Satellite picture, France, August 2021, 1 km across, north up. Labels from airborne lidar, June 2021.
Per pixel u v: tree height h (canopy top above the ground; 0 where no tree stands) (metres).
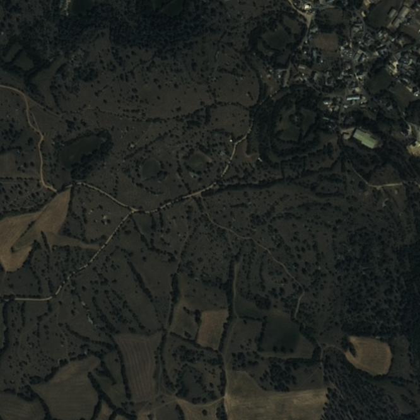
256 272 0
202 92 0
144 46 12
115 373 0
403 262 7
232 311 7
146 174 0
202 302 0
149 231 0
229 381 0
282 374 17
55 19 9
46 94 0
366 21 13
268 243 0
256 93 0
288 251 6
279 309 0
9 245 0
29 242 0
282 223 0
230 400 0
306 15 0
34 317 0
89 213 0
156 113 0
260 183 7
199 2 14
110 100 0
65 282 8
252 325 0
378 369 0
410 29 0
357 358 0
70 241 0
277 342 0
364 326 11
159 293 0
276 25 7
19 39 7
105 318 9
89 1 0
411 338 16
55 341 0
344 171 7
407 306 17
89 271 0
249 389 0
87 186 7
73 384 0
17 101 0
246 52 7
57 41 10
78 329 0
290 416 0
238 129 0
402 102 0
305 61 8
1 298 6
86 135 7
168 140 0
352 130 0
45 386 0
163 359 6
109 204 0
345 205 0
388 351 0
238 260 7
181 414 8
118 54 7
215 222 6
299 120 8
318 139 7
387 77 0
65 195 0
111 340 8
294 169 7
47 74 0
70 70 0
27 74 8
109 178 0
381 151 8
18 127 0
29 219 0
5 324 9
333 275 6
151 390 0
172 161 0
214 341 0
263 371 0
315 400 0
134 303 0
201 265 0
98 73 7
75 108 0
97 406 7
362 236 12
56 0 8
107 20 9
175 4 0
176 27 15
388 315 15
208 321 0
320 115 9
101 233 0
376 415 15
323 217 0
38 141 0
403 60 0
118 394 0
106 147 6
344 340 7
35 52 15
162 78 0
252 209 0
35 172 0
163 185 0
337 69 7
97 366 0
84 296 0
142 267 0
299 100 6
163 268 0
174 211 0
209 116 8
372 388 20
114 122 0
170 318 6
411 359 7
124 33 13
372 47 8
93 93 0
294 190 0
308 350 0
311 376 0
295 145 6
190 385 0
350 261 14
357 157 8
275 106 7
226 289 8
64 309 0
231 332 0
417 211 8
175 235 0
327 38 0
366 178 9
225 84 0
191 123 8
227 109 0
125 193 0
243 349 9
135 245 0
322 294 0
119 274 0
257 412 0
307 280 0
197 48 0
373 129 7
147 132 0
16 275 0
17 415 0
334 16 0
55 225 0
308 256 0
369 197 0
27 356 5
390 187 0
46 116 0
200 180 6
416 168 6
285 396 0
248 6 0
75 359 6
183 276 0
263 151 7
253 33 8
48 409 11
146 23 12
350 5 9
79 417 0
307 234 0
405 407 0
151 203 0
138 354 0
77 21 8
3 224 0
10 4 17
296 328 0
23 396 11
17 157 0
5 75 0
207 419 0
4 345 8
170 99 0
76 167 6
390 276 7
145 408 0
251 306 0
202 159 0
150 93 0
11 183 0
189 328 0
